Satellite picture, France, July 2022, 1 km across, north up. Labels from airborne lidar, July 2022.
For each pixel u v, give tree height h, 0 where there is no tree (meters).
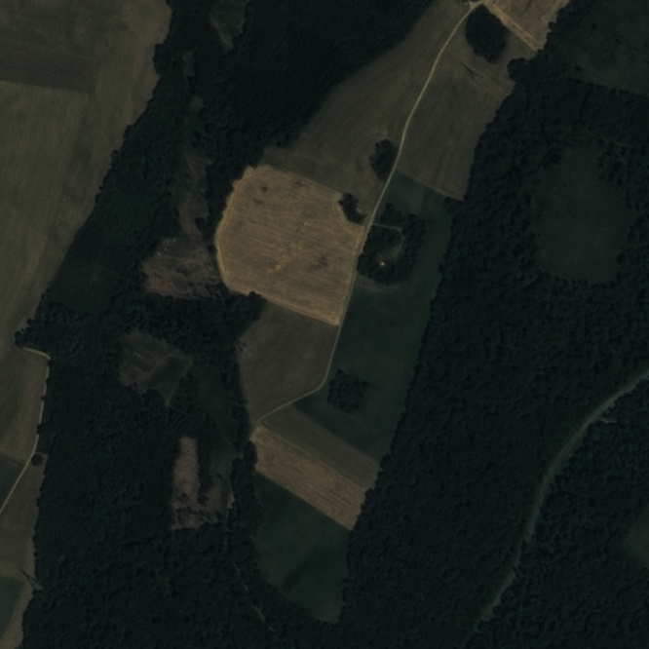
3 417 0
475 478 22
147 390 0
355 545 14
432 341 21
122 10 0
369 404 0
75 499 14
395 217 11
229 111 8
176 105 15
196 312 14
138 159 12
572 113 15
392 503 16
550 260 0
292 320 0
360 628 15
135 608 21
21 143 0
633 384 0
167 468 11
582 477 23
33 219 0
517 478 17
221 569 24
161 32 0
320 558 0
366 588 17
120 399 19
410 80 0
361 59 6
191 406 15
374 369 0
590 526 12
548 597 19
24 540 0
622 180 19
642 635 23
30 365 0
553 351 24
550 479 0
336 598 0
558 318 6
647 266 24
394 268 13
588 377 21
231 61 14
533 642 22
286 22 8
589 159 0
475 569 21
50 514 13
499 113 13
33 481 0
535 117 18
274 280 0
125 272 9
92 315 8
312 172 0
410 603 18
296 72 8
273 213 0
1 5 0
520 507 15
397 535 18
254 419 0
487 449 20
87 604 21
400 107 0
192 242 0
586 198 0
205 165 0
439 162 0
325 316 0
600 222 0
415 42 0
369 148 0
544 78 16
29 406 0
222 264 0
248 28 14
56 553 15
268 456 0
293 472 0
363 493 0
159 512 9
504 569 19
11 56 0
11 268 0
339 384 9
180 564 20
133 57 0
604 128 20
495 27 13
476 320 21
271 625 16
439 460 19
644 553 0
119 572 21
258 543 0
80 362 20
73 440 12
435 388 18
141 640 19
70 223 0
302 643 25
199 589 19
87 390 17
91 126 0
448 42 0
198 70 21
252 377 0
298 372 0
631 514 18
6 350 0
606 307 13
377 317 0
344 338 0
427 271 0
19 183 0
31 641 17
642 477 20
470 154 0
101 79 0
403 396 0
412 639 15
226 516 8
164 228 16
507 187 22
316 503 0
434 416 21
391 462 21
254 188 0
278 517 0
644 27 0
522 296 17
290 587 0
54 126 0
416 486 19
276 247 0
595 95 17
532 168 29
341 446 0
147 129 13
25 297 0
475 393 20
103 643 22
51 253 0
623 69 0
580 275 0
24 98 0
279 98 8
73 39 0
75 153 0
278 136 22
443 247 0
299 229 0
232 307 26
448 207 13
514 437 16
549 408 22
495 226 23
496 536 16
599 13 0
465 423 18
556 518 29
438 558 20
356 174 0
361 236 0
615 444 16
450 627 20
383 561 17
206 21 17
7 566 0
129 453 13
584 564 21
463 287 21
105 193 6
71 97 0
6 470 0
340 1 10
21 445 0
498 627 20
